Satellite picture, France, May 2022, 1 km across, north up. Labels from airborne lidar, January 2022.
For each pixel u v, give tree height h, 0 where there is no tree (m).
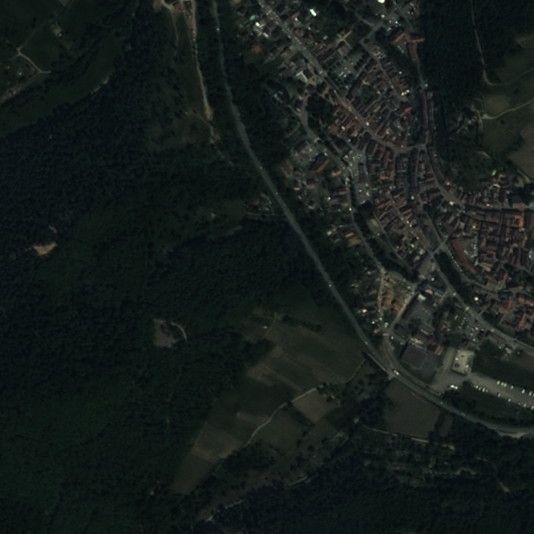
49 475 24
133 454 20
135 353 19
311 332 0
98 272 28
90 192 20
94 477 24
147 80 23
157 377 24
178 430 22
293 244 24
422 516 16
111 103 13
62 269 19
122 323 24
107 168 27
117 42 0
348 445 7
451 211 0
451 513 22
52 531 24
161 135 0
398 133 0
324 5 30
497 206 0
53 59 0
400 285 0
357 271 10
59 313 30
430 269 0
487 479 13
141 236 16
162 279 26
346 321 12
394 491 23
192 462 0
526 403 0
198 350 20
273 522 31
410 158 6
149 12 18
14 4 0
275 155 18
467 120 0
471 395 0
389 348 0
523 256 0
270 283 14
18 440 29
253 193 10
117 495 25
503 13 8
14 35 14
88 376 26
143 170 18
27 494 19
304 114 0
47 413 17
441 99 10
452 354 0
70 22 0
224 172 22
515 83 0
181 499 14
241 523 27
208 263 25
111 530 23
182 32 0
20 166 26
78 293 26
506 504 28
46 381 24
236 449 0
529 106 0
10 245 20
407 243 0
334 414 0
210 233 15
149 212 19
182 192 11
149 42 14
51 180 25
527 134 0
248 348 21
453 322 0
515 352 0
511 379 0
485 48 6
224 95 22
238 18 0
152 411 23
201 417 22
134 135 20
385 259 14
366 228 12
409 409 0
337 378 0
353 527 21
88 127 9
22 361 24
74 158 23
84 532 23
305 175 0
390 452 9
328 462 15
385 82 0
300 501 28
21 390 22
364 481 19
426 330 0
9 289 21
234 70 26
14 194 23
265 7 0
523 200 0
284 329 0
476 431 15
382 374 6
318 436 0
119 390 20
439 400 0
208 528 31
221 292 22
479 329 0
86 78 0
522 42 0
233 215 0
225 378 15
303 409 0
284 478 8
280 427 0
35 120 0
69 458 26
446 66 10
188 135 0
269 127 17
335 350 0
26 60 0
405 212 0
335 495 17
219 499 0
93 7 0
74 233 22
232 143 27
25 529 27
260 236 20
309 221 15
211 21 17
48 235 24
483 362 0
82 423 20
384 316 0
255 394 0
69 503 22
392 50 13
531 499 23
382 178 0
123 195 20
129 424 22
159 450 19
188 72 0
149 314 18
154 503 14
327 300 14
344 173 0
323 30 0
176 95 0
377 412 18
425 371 0
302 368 0
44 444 25
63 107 0
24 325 21
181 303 23
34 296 24
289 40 8
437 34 12
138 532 16
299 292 0
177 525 0
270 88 25
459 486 23
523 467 18
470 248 0
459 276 9
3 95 0
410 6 0
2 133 0
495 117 0
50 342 30
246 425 0
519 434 0
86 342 25
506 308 0
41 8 0
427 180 0
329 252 14
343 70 0
